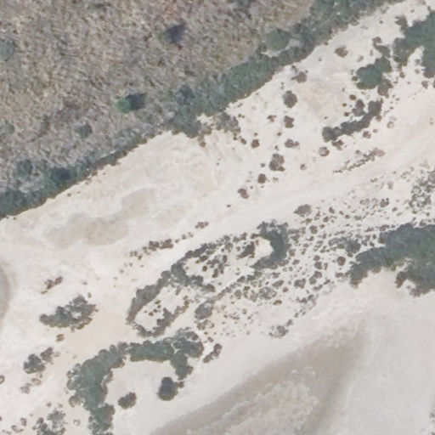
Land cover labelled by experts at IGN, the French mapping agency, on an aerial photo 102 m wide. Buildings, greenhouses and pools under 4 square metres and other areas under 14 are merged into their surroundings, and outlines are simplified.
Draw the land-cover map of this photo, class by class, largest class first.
<instances>
[{"label":"pervious surface","instance_id":"1","mask_svg":"<svg viewBox=\"0 0 435 435\"><path fill-rule=\"evenodd\" d=\"M435 10V0H403L398 3H382L374 14L360 17L357 24L348 25L345 31L340 29L333 34L328 44H319L306 58L284 66L272 76L270 82L251 92L246 99L231 102L226 110L229 116H233L240 124V133L246 139V144L234 141L231 133L212 131L206 136V146L201 148L197 139L189 138L184 133L173 134L172 131H168L144 143L129 151L126 156H122L116 165H105L104 168L97 170V175L71 185L53 199H48L42 206L32 207L15 216L3 219L0 217V435H92L88 425L90 413L85 410L83 404H70V398L75 391L66 386L68 372L75 369V365L93 359L100 350H107L112 345L163 342L184 328L199 336L204 350L199 357H190L187 360L192 372L185 377L184 387L178 389L175 398L165 401L158 396L161 381L175 370L168 360L133 362L131 355H126L124 365L112 370V381L107 384L105 394V401L114 408L110 427L112 435H151L158 428L168 425L170 421L178 420L221 398L223 394L243 384L248 377L258 374L265 365L279 362L285 355L311 345L314 340L321 338V335H331L333 330L340 326H347L348 336H355V333L364 336V352L355 364L353 376L348 379L347 387L338 396L335 416L328 430L330 435H435V291L413 296L411 292L415 289V282L404 280L401 287L396 285V277L410 267L411 258L408 257L403 258L401 265L394 267L393 270L381 268L379 272H369L367 277L360 280L359 285L338 279L336 272H348L364 251L382 248L384 245L379 241V234L394 231L406 223L420 228V223L433 224L435 219V189L432 190L428 206L416 207L418 214H411L408 201L413 185L418 184L420 180H427L428 175L435 170V75H423V65H416V61L423 56V48H416L411 53L408 65L398 66L394 59V41L403 37V32L396 24L398 17H406L408 24L413 25L416 20L427 19V15ZM374 37H381L382 44L389 48L391 71L382 75L393 87L389 88L387 97L377 92V88H359L352 80L359 68L372 65L377 58H381V53L372 46ZM359 100L364 102L365 112H369L370 102H381V119H372L369 126L357 133L340 136L342 148H335L331 141H325L323 138V129L340 126L343 122L362 121V117L353 114V107ZM357 150L365 153L382 150L384 156H376L374 160L367 161L364 167L355 168L352 172L335 173V168L343 167L345 160L352 163L357 161ZM262 223H284L287 224V228L297 229L301 234L297 245L292 248L294 255H285V265L263 268L262 272V277L268 284H274L275 287L284 284L289 292L277 289V296L270 299L250 301L241 297L234 304H231V297L224 296L221 301H216L209 318H195V309L202 306L204 301L216 297V294L243 275L253 274V265L260 258L268 257L272 253L270 241L263 240L257 248L253 245L245 246L241 255L238 251L231 250L228 257V265L224 267L223 274L212 277V268L202 270V263H197V258L187 257V251L197 250L204 243H212L223 236H240L241 233L260 231L258 226ZM335 238H350L357 241L360 248L352 251V255H348L347 250H340L335 245ZM175 262L184 265L187 275H199L206 284L214 285V291H201L199 287L185 285L182 291L175 294L173 287H163L160 294L153 297L139 311L136 316L139 325H143L146 330H153L156 321L163 318L165 309L173 311L177 306H182L184 297H189V309L180 314L161 335L141 336L138 331L131 328V325H127V311L131 308L136 291L146 285L156 284L161 274ZM75 297H83L88 304L95 306L92 321L85 328L71 330L68 326L58 328L42 325V314L56 313V309L70 304ZM46 348H53V357L44 365L41 386L32 387L29 393H22L20 387L31 381L29 372H25L24 369L25 362L31 355L42 353ZM297 46H301V41H299V39H291V41L287 42L285 46H280L279 49H267V51H265V56H270V58H272V56H279L280 53H285L287 49L297 48ZM268 403L272 410L245 418L238 425L229 428L226 435H314L323 420L328 418V411L333 406L323 398L309 396L308 386L289 381L287 387L275 384L272 391L258 393L255 396V403Z\"/></svg>","mask_w":435,"mask_h":435},{"label":"herbaceous vegetation","instance_id":"2","mask_svg":"<svg viewBox=\"0 0 435 435\"><path fill-rule=\"evenodd\" d=\"M314 0H255L250 7L251 19H246L245 14H241L243 22H238L233 17H228V10H233L236 3L228 0H0V194L5 190H20L22 194H27L31 190H41L44 187L42 172L39 173V177H22L15 173L19 161L44 160L48 161L49 167L68 168L73 167L76 161L83 160L88 151H97L100 158L114 155L136 134L141 136L144 143L168 131L165 121L173 117L178 110L177 100L182 95L180 88L189 87L192 90L195 82L214 76V73L219 76L226 75L233 66L246 63L251 54L257 51L258 44H265L267 49H272L268 32L275 29L289 31L292 25L299 24L304 17H308L309 8ZM184 22L185 31L182 39L175 44L168 42L165 32L168 27ZM134 93L146 95L143 107L133 112H121L117 102ZM65 102L80 105L82 117L78 121L65 122L63 129L51 126L49 133L39 138L36 133L41 129L42 117L49 116L53 110L63 109ZM435 189V170L428 175L427 180H420L418 184L413 185L408 201L411 214H418L416 207L428 206L432 190ZM263 240L260 231L241 233L240 236H223L212 243L216 250L209 255L211 260L228 257L231 250L238 251L241 255L245 246L253 245L257 248Z\"/></svg>","mask_w":435,"mask_h":435},{"label":"brushwood","instance_id":"3","mask_svg":"<svg viewBox=\"0 0 435 435\"><path fill-rule=\"evenodd\" d=\"M236 3L233 10H228V17H233L238 22H243L241 14H245L246 19H251L250 7L255 0H228ZM403 0H314L309 8L308 17H304L299 24L292 25L289 31L275 29L268 32L272 49H279L280 46H285L287 42L291 41V39H299V41H301V46H297V48L287 49L285 53H280L279 56H272V58H270V56H265V51H267V49L265 44H258L257 51L251 54L246 63L233 66L226 75L219 76L214 73V76L195 82L192 90L189 87L180 88L182 95L177 100L178 110L173 117L165 121L168 131H172L173 134L184 133L189 138L197 139L201 148L206 146V136L212 131L231 133L234 141L246 144V139L240 133V124L233 116H229L226 110L231 102L246 99L251 92L270 82L272 76L284 66L306 58L319 44H328L333 34L340 29L345 31L348 25L357 24L360 17L374 14L382 3H398ZM396 24L403 32V37L394 41V59L398 66L408 65L411 53L416 48H423V56L416 61V65H423V75H435V10L427 15V19L416 20L413 25L408 24L406 17H398ZM185 31L184 22L168 27L165 32L168 42L175 44L182 39ZM372 46L381 53V58H377L372 65L359 68L352 80L359 88H377V92L387 97L389 88L393 87L382 75L391 71L389 48L382 44L381 37H374ZM146 95L134 93L117 102L121 112H133L143 107ZM381 102H370L369 112H365L364 102L359 100L353 107V114L362 117V121L343 122L340 126L323 129V138L325 141H331L335 148H342L340 136L357 133L369 126L372 119H381ZM82 117L80 105L65 102L63 109L53 110L49 116L42 117L41 129L36 133L39 138L49 133L51 126L63 129L65 122L78 121ZM144 143L141 136L136 134L114 155L100 158L97 151H88L83 160L76 161L73 167L68 168L49 167L48 161L44 160L19 161L15 173L22 177H39V173L42 172L44 187L41 190H31L27 194H22L20 190H5L0 194V217L3 219L15 216L32 207L42 206L48 199H53L71 185L97 175V170L104 168L105 165H116L122 156H126L129 151ZM357 161L352 163L345 160L343 167L335 168V173L352 172L355 168L364 167L367 161L374 160L376 156H384L382 150L365 153L357 150ZM379 241L384 245L382 248L364 251L348 272H336L338 279L359 285L360 280L367 277L369 272H379L381 268L393 270L394 267L401 265L403 258L408 257L411 258L410 267L396 277V285L401 287L404 280L415 282V289L411 292L413 296L435 291V219L433 224L420 223V228L406 223L394 231L379 234ZM260 231L263 240L270 241L272 253L268 257L260 258L253 265V274L243 275L216 294V297L204 301L202 306L195 309V318H209L216 301H221L224 296L231 297V304H234L241 297L250 301L270 299L277 296V289L289 292L284 284L275 287L274 284H268L262 277V272L263 268L285 265V255H294L292 248L297 245L301 234L297 229L287 228V224L284 223H262L258 226ZM335 245L340 250H347L348 255H352V251L360 248L357 241L350 238H335ZM216 250L212 243H204L197 250L187 251V257L197 258V263H202V270L212 268V277L223 274L224 267L228 265V257L211 260L209 255ZM185 285L199 287L201 291H214V285L206 284L199 275H187L184 265L175 262L161 274L156 284L146 285L136 291L131 308L127 311V325H131V328L138 331L141 336L161 335L180 314L189 309V297H184L182 306H177L173 311L165 309L163 318L156 321L153 330H146L143 325H139L136 316L139 311L153 297L160 294L163 287H173L175 294L182 291ZM95 306L88 304L83 297H75L70 304L56 309V313L42 314V325L58 328L68 326L71 330L85 328L92 321ZM204 350L199 336L184 328L163 342L112 345L107 350H100L93 359L75 365V369L68 372L66 386L75 391L70 398V404H83L85 410L90 413L88 425L92 435H112L110 427L114 408L105 401V394L107 384L112 381V370L124 365L126 355H131L133 362L168 360L175 370L161 381L158 396L165 401L175 398L178 389L184 387L185 377L192 372L187 360L190 357H199ZM53 357V348H46L42 353L31 355L25 362L24 369L25 372H29L31 381L20 387L22 393H29L32 387L41 386L44 365Z\"/></svg>","mask_w":435,"mask_h":435},{"label":"water","instance_id":"4","mask_svg":"<svg viewBox=\"0 0 435 435\"><path fill-rule=\"evenodd\" d=\"M364 352V336L355 333V336H348L347 326H340L333 330L331 335H321V338L314 340L311 345L285 355L279 362L265 365L258 374L248 377L243 384L223 394L221 398L178 420L170 421L168 425L158 428L151 435H226L229 428L238 425L245 418L272 410L268 403H255V396L258 393L272 391L275 384L287 387L289 381L308 386L309 396L323 398L333 406L328 411V418L323 420L314 435H330L328 430L335 416L338 396L347 387L348 379L353 376L355 364Z\"/></svg>","mask_w":435,"mask_h":435}]
</instances>
